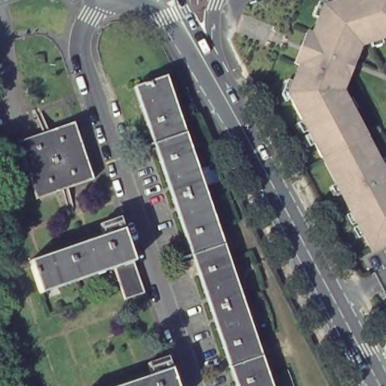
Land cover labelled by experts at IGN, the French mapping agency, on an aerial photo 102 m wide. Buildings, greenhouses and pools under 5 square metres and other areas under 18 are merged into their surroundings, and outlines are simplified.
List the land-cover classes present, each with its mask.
<instances>
[{"label":"herbaceous vegetation","instance_id":"1","mask_svg":"<svg viewBox=\"0 0 386 386\"><path fill-rule=\"evenodd\" d=\"M12 29L27 30L39 27L56 36H62L65 32L69 15L68 8L60 0H20L12 3L9 8ZM297 0H259L253 5L244 6V15L276 27L279 33L300 45L305 38V32L297 30L289 33L288 20L283 18V15L294 17ZM101 63L104 75L110 83L115 90L116 101L121 103L119 113L124 116V121L136 122V127L137 137L142 139L143 143L152 142L142 110L137 103L134 86L142 81H151L158 75L170 74L202 169L204 172L207 169H216L208 146L195 116L191 113L187 90L175 64L169 62L163 41L158 38L154 29H151L145 35H139L137 32H127L119 23L110 24L100 38ZM232 39L249 71L246 81L252 86L259 81L267 84L268 92L273 96L274 112L285 122L289 136L296 137L305 149L306 163L303 176L311 185L315 198L320 201H332L341 214L347 216L348 207L344 198L333 195L330 191L333 179L324 166V161L318 157L315 146L309 145L305 133L297 127V115L291 103L283 100V80L296 77L297 66L294 60L297 53L286 44L271 42L270 45H261L259 39L235 33ZM18 75L24 78H42L45 84V96L42 100L45 101V106L41 107L50 128L77 122L95 173L104 169V163L98 151L95 131L92 130L87 109L81 110L78 106L77 96L80 93L77 83L69 78L56 45L42 36H30L14 42ZM348 93L353 98L378 152L386 163V57L380 48L365 45L357 59L353 77L348 83ZM211 196L219 213L235 267L240 274L244 293L276 386H330V375L320 365V359L312 353L308 339L303 338L297 327L299 320L294 314L302 306L297 299H283L280 289L285 286V274L282 268H276L274 273L271 271L267 255L259 244L255 232L247 226L246 220L241 219L238 202L229 191L226 193L225 187L219 181L210 185ZM246 247H255L258 250V256L255 258L256 262H262V267H259L262 277L267 276V293L273 302L279 324L277 333L271 330L264 303L258 297V282L247 259ZM83 190L81 187L71 188L72 204L62 207L56 199L48 198L47 195L42 201H38L33 185L29 182L23 207L15 213V219L20 226L21 234L18 246L26 247L30 259L103 234L101 223L116 217L113 213L115 207L107 202L98 213L78 210L77 195ZM57 211L65 216L63 234L51 238L48 222ZM170 219L178 234L170 238L169 244L182 255H188L190 249L175 211ZM336 231L339 243L345 244L347 249L353 252L356 273L366 270L362 258L369 249L362 238H357L354 232L347 231V225L344 222L336 223ZM9 291L18 300L17 308L9 320V333L17 332L20 335L14 347L20 353L21 368L29 369V375L23 378V383L27 386H115L151 374L149 362H163L170 356V348L160 351L155 356L146 357V345L140 341L142 336L130 338L125 329L121 335H113L110 320L118 314L125 300L121 293L109 297L104 306L87 305L86 311L81 312L74 320H68L62 315L59 300L71 303L77 297H83V280L62 286L59 296L50 297L48 294L39 293L32 274L8 277Z\"/></svg>","mask_w":386,"mask_h":386},{"label":"impervious surface","instance_id":"2","mask_svg":"<svg viewBox=\"0 0 386 386\"><path fill-rule=\"evenodd\" d=\"M20 0H0V139L6 137L12 145L17 146L16 141L41 133V128L36 127L29 116L35 107H41L45 106V101L42 100L38 96L30 95L24 78L18 75L14 42L30 36H42L56 45L69 78L77 83L80 93L77 96L78 106L81 110L87 109L92 130L95 131L98 151L104 163V169L95 173V181L107 202L115 207L113 213L116 217L124 216L133 234L134 244L139 253L137 267L145 285V293L151 297L148 311L154 320L158 341L166 342L169 339L173 344L170 348V356L178 368L184 386H235L229 371L216 381L202 380L201 372L204 365L208 366L210 363L216 365L214 371H226L229 368L207 299L204 297L199 300L195 283L191 282L187 271L178 280L164 279L160 270L161 250L169 244L170 238L178 234L170 219L175 211L157 157L148 161L149 167L143 172L128 173L121 166L113 142L115 139L122 140V133L128 134L127 127H136V122L124 121L113 118L112 109L107 106L104 87L110 83L104 75L101 63L100 38L110 24L119 23L125 17L136 15L151 29H154L158 38L163 41L169 62L175 64L187 90L191 113L195 116L196 113H202L211 134L217 140L237 139L243 146L244 160L252 166L253 176L261 178V190L253 199L256 204H267L274 208L276 219H273L271 231L288 237L289 255L293 256L288 262L297 270L303 271L306 276L308 294L297 296V299L302 306L306 305V302L318 306L321 314L329 318L315 335L318 339H324L327 335L332 341L344 342L345 357L362 368V377L365 378L357 386H386V344H366L362 341L360 330L372 306L378 303L377 300H386V247L378 250L377 255L369 249L362 258L366 270L356 273L345 279L332 280L327 277L326 271L317 267L315 246L306 240L305 229L315 225L308 210L303 208L293 188L294 181L285 179L283 161L277 158L276 146L273 139L265 134L264 125L255 128L241 121V109L247 98H235L238 86L240 66L226 42V32L232 24H237L235 33L259 39L261 45H270L271 42L286 44L297 53L300 45L279 33L276 27L244 15V6L253 5L259 0H60L68 8L69 15L65 32L62 36H56L39 27L27 30L12 29L9 8L12 3Z\"/></svg>","mask_w":386,"mask_h":386},{"label":"building","instance_id":"3","mask_svg":"<svg viewBox=\"0 0 386 386\"><path fill-rule=\"evenodd\" d=\"M315 20L314 30L305 32V38L300 45L297 53L294 60L297 66L296 77L283 80V100L291 103L297 115V127L305 133L309 145L315 146L318 157L324 161V166L333 179L330 191L333 195L344 198L348 207L347 216V231L354 232L357 238H362L369 249L377 255L378 250L386 247V163L378 152L353 98L348 93V83L353 77L357 59L365 45L380 48L386 57V0H318L312 11ZM137 103L142 110L152 142L175 211L190 249L188 255H182V264L187 265V271L191 282L195 283L199 300L204 297L207 299L229 368V371L235 386H276L244 293L240 274L235 267L219 213L211 196L210 185L219 181L216 169H207L204 172L202 169L170 74L158 75L151 81H142L134 86ZM36 127L41 128V133L16 141L17 146L26 149V155L21 158L29 182L33 185L38 201H42L47 195L48 198L56 199L62 207L72 204L71 188L81 187L83 190L89 182L95 181V173L77 122L50 128L41 107H35L29 116ZM103 234L30 259L32 274L39 293L48 294L50 297L59 296L62 286L83 280L101 274L113 286H119L121 293L125 300L136 299L145 293V285L137 267L139 253L134 244L133 234L124 216L116 217L101 223ZM151 374L115 386H184L178 368L170 356L163 362H149Z\"/></svg>","mask_w":386,"mask_h":386},{"label":"coniferous trees","instance_id":"4","mask_svg":"<svg viewBox=\"0 0 386 386\"><path fill-rule=\"evenodd\" d=\"M247 98L241 109V121L255 128L264 125L265 134L273 139L276 146L277 158L283 161L285 179L294 181L293 175L296 173L303 176L306 163L305 149L296 137L289 136L285 122L274 112L273 96L268 92L267 84L259 81L252 86L246 81L238 86L235 98ZM128 134L122 133V140L115 139L113 142L121 166L128 173L143 172L149 167L148 161L157 157L152 142L143 143L142 139L137 137L136 127H127ZM216 169L219 181L225 187L226 193L229 191L238 202L241 219L246 220L247 226L255 232L259 244L267 255L271 271L274 273L276 268H282L285 274V286L280 289L283 299H297V296L308 294L306 276L303 271L297 270L288 262L293 256L289 255L288 237L271 231L273 219H276L274 208L267 204H256L253 199L261 190V178L253 176L252 166L244 160L243 146L237 139L217 140L208 146ZM315 225L305 229L306 240L315 246L317 267L326 271L327 277L332 280L345 279L356 273L353 252L347 249L345 244L339 243L336 231V223L344 222L347 225V216L341 214L332 201H320L315 198L314 204L308 210ZM378 303L372 306L360 330L362 341L366 344H386V300H377ZM299 320L297 327L303 338L308 339L312 353L320 359V365L330 375V386H357L365 378L362 377V368L345 357L344 342L332 341L327 335L324 339H318L315 335L329 318L321 314L318 306L306 302V305L302 306L294 314Z\"/></svg>","mask_w":386,"mask_h":386},{"label":"deciduous trees","instance_id":"5","mask_svg":"<svg viewBox=\"0 0 386 386\"><path fill-rule=\"evenodd\" d=\"M318 0H297L294 17L283 15V18L288 20L289 33L297 30L305 32L314 30L315 20L312 11ZM127 32H137L139 35H145L151 29L136 15L125 17L119 23ZM30 95L38 96L42 100L45 96V84L42 78H24ZM26 155V149L17 146L12 145L6 137L0 139V386H27L23 383V378L29 375V369L21 368L20 353L14 347L20 335L17 332L9 333V320L17 308L18 300L9 291L8 277L32 274L30 259L26 247L18 246L21 234L20 226L15 219V213L23 207L29 182L21 158ZM107 202L95 181L89 182L83 190L77 195L78 210L98 213ZM65 216L57 211L48 222L51 238L63 234ZM160 270L164 279L178 280L187 271V265L182 264V255L169 244L161 250ZM83 297H77L71 303L59 300L62 315L68 320H74L81 312L86 311L87 305L104 306L109 297L121 293L119 286H113L101 274L83 280ZM151 297L145 293L136 299L125 300L118 314L110 320L113 335H121L125 329L130 338L142 336L140 341L146 345V357L155 356L160 351L170 348L173 344L169 339L166 342L158 341L154 320L148 311ZM216 365L210 363L208 366L204 365L201 372L202 380L216 381L229 371V368L226 371H214Z\"/></svg>","mask_w":386,"mask_h":386},{"label":"pervious surface","instance_id":"6","mask_svg":"<svg viewBox=\"0 0 386 386\"><path fill-rule=\"evenodd\" d=\"M237 24H232L226 32V42L240 66L238 86L246 81L249 71L232 39L235 33ZM107 106L112 109L113 118L124 121V116L119 113L121 103L116 101L115 90L110 83L104 87ZM294 181L293 188L303 208L308 210L314 204L315 198L311 185L303 176L296 173L293 175Z\"/></svg>","mask_w":386,"mask_h":386},{"label":"brushwood","instance_id":"7","mask_svg":"<svg viewBox=\"0 0 386 386\"><path fill-rule=\"evenodd\" d=\"M208 146L217 140L211 134L202 113H196L195 116ZM247 259L258 282V297L264 303L271 330L277 333L279 324L273 302L267 293V276L262 277L259 267H262V262H256L255 258L258 256V250L255 247H246Z\"/></svg>","mask_w":386,"mask_h":386}]
</instances>
